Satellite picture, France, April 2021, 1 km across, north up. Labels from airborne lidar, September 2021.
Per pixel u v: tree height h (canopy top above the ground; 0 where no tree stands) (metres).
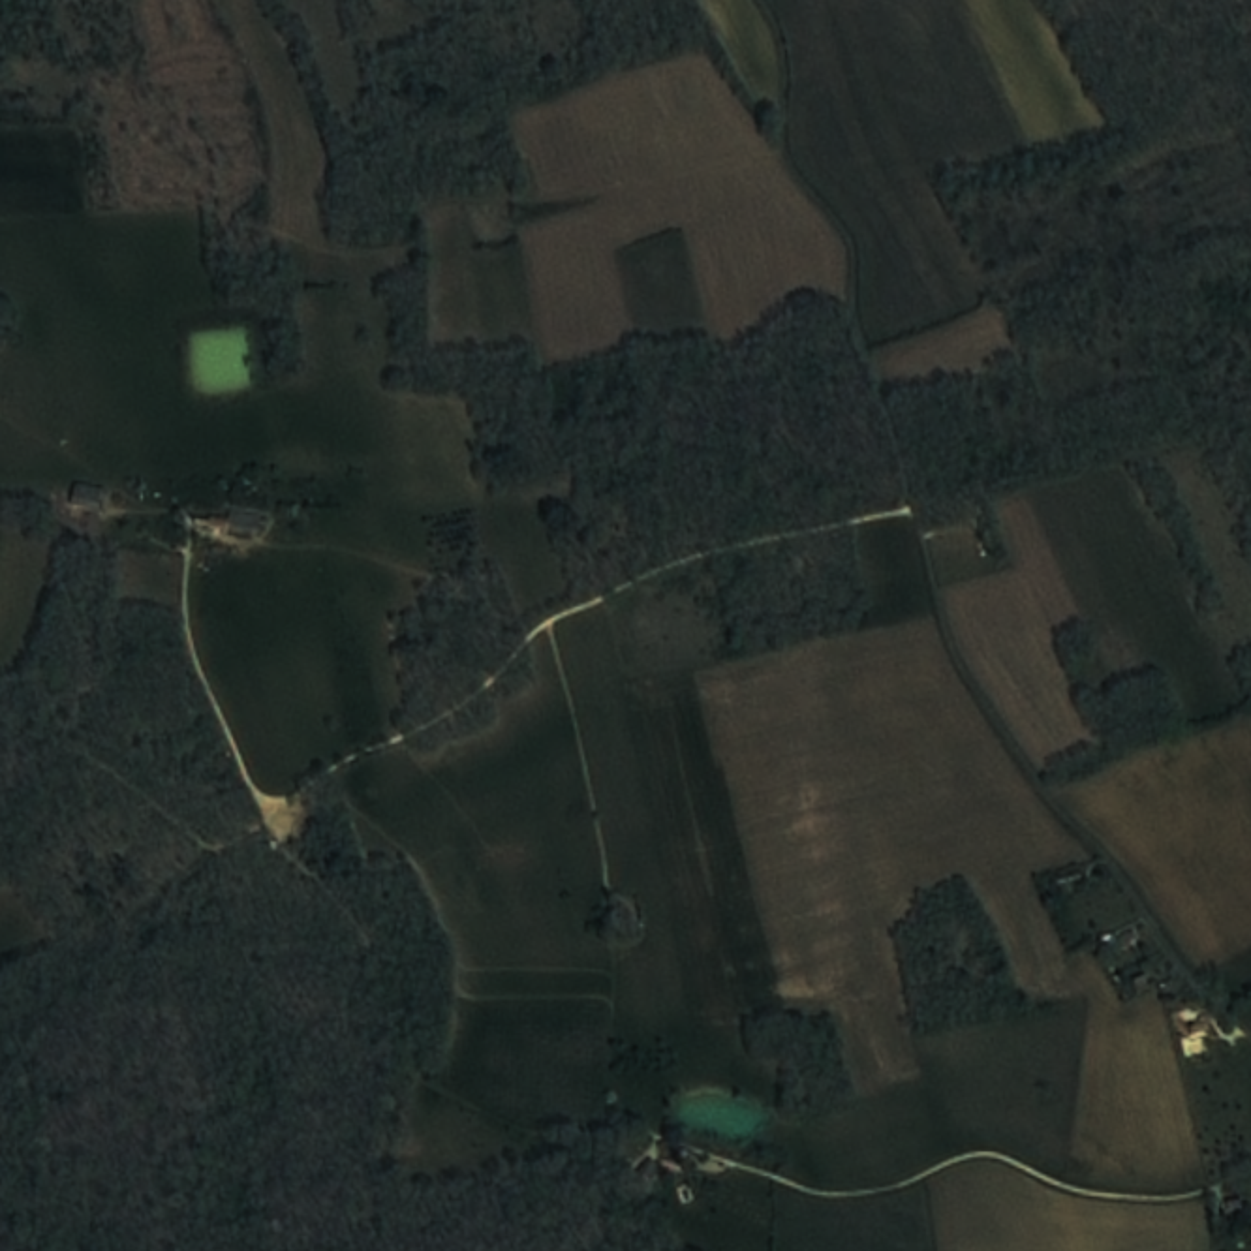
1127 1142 0
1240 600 0
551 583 0
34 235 0
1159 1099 0
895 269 0
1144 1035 0
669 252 0
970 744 0
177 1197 20
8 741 19
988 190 10
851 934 0
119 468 0
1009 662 0
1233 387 8
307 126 0
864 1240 0
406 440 0
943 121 0
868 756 0
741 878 0
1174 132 14
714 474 20
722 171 0
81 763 16
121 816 16
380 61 11
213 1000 24
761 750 0
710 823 0
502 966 0
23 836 19
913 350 0
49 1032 17
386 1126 23
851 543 15
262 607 0
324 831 16
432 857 0
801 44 0
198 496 0
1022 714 0
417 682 17
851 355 20
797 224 0
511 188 10
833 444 15
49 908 16
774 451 20
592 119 0
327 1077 22
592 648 0
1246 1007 12
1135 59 11
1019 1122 0
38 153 0
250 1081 22
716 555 17
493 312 0
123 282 0
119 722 18
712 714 0
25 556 0
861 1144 0
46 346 0
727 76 14
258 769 0
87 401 0
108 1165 16
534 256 0
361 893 19
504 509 0
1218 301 6
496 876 0
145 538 0
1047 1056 0
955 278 0
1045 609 0
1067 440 13
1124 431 16
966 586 0
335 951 21
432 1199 25
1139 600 0
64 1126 15
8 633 0
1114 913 0
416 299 20
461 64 16
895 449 19
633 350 16
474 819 0
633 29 13
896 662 0
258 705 0
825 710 0
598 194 0
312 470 0
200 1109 23
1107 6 13
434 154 12
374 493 0
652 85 0
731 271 0
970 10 0
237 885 16
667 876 0
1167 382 13
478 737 17
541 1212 25
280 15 13
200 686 17
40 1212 26
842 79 0
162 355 0
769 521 18
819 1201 0
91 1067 20
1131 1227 0
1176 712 18
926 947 8
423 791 0
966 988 11
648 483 15
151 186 0
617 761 0
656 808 0
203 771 12
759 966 0
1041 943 0
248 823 13
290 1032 21
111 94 16
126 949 17
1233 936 0
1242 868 0
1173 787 0
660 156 0
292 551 0
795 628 14
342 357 0
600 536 16
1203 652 0
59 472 0
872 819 0
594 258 0
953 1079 0
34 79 0
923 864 0
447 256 0
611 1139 18
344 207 13
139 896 12
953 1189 0
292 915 18
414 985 23
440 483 0
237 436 0
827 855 0
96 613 18
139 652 18
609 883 0
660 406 14
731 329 0
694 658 0
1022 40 0
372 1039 18
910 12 0
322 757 0
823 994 0
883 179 0
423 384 15
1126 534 0
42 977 21
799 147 0
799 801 0
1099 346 15
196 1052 17
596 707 0
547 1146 15
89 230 0
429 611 15
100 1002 17
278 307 18
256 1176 18
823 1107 17
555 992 0
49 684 19
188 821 14
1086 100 8
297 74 13
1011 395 15
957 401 18
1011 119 0
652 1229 20
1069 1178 0
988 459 14
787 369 21
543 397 19
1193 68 14
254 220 8
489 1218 22
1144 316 16
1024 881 0
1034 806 0
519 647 19
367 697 0
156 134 15
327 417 0
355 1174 23
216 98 0
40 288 0
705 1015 0
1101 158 24
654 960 0
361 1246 24
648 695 0
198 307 0
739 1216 0
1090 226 18
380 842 0
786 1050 18
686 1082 0
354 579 0
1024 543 0
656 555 19
